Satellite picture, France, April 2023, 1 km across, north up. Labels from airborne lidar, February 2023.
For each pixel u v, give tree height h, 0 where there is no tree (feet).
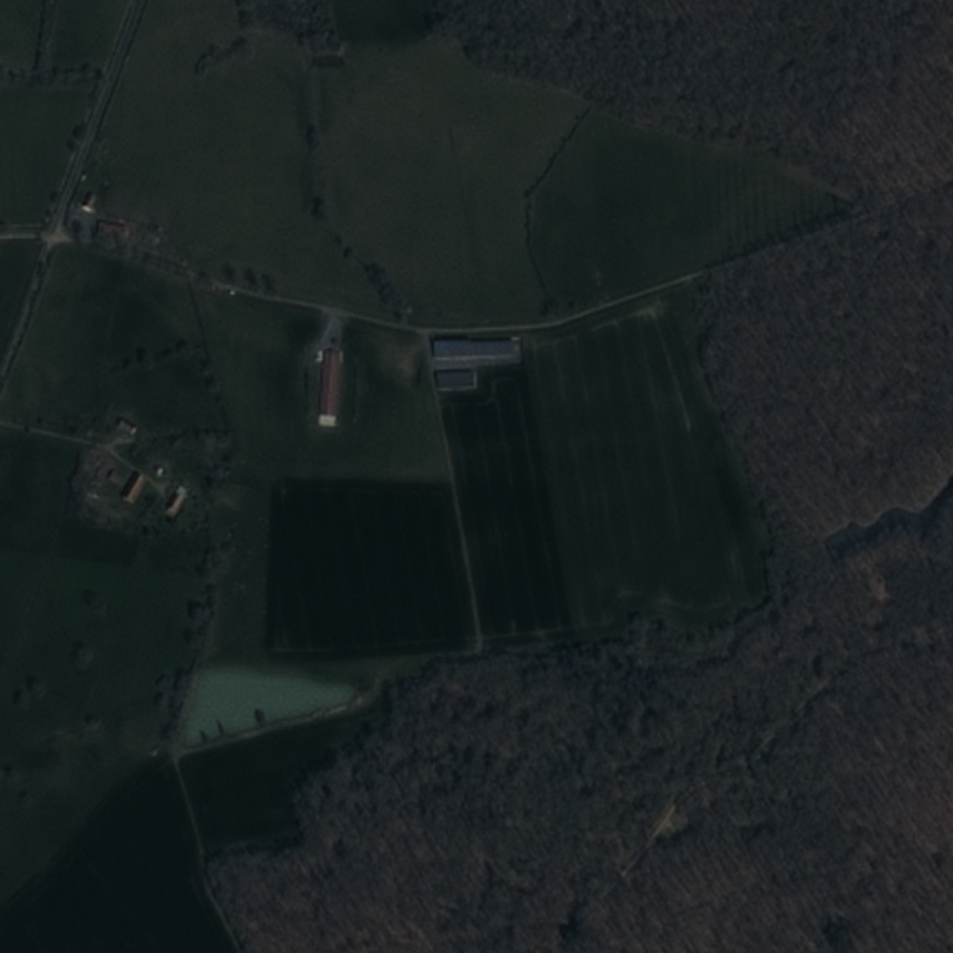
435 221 0
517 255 0
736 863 82
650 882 76
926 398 73
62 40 0
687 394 0
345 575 0
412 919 68
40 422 32
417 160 0
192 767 0
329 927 70
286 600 0
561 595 0
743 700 64
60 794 0
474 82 0
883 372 81
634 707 63
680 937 79
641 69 73
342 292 0
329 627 0
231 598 0
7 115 0
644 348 0
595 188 0
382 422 0
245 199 0
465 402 0
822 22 67
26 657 0
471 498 0
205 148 0
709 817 27
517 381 0
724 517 0
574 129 0
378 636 0
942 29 74
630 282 0
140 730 0
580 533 0
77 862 0
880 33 72
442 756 60
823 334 92
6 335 0
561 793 72
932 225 85
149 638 0
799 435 82
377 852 74
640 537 0
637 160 0
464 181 0
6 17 0
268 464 0
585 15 82
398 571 0
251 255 0
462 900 77
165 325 0
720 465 0
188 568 0
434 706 67
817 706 57
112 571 0
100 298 0
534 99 0
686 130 70
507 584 0
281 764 0
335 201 0
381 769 83
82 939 0
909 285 88
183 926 0
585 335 0
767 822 62
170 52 0
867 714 77
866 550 58
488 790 65
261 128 0
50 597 0
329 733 0
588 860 67
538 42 79
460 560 0
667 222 0
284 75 0
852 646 57
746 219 0
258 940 52
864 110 75
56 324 0
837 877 83
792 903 86
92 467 0
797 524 65
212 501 58
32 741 0
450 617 0
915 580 63
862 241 75
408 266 0
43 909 0
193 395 0
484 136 0
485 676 62
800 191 0
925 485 70
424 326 0
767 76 68
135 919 0
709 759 39
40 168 0
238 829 0
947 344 93
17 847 0
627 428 0
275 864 66
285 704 0
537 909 83
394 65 0
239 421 0
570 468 0
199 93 0
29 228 0
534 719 49
